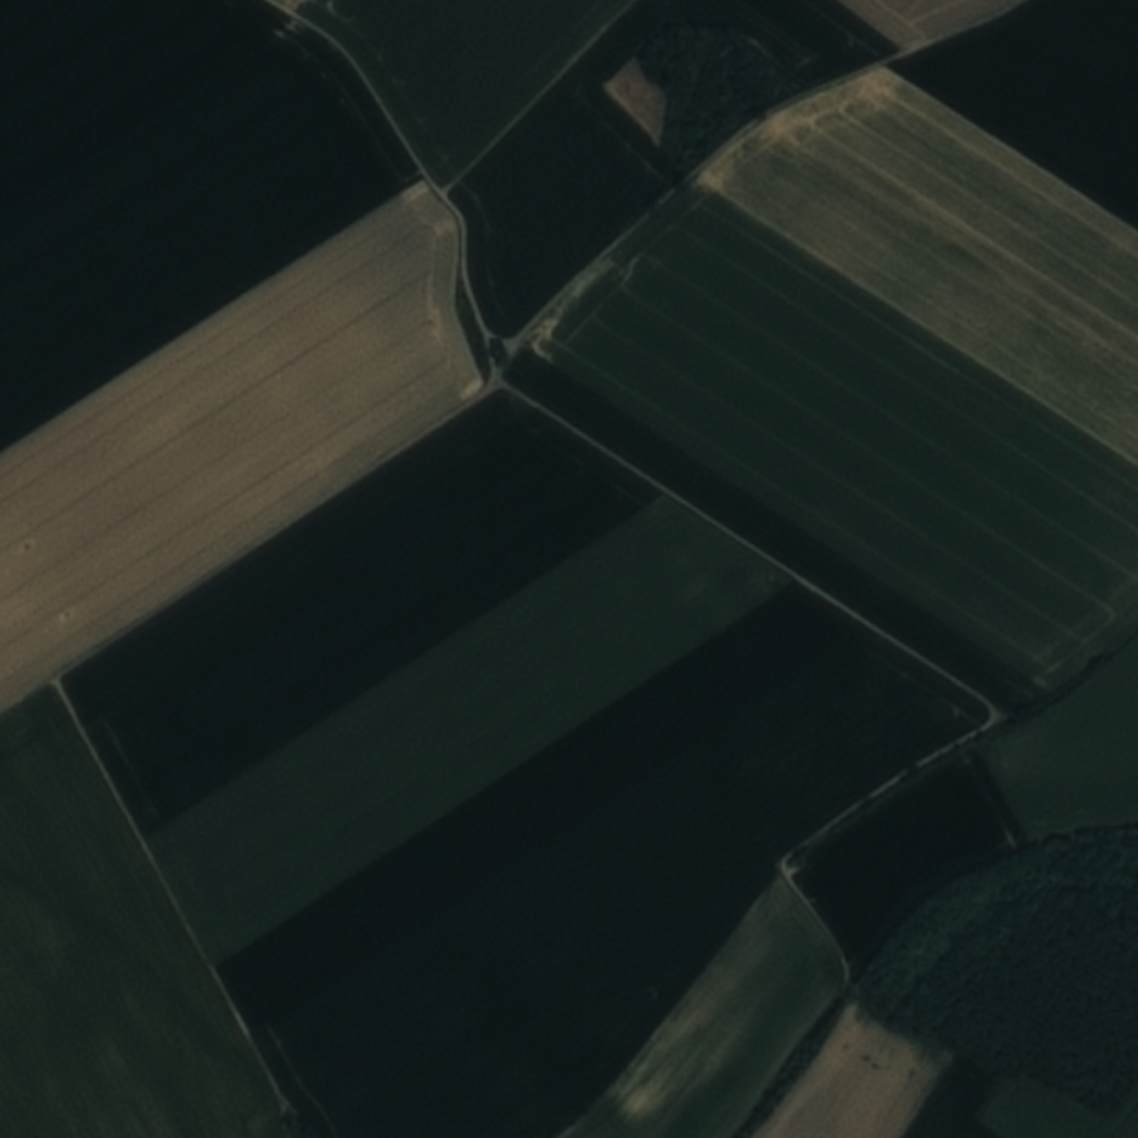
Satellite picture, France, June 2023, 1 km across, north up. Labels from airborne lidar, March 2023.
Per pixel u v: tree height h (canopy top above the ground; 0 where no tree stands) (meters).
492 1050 0
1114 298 0
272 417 0
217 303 0
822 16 0
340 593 0
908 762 0
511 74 0
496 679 0
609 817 0
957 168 0
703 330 0
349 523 0
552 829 0
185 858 0
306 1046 0
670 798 0
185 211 0
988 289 0
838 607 0
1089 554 0
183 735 0
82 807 0
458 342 0
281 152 0
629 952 0
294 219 0
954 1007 17
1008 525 0
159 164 0
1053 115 0
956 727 0
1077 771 0
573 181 0
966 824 0
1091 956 24
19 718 0
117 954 0
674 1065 0
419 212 0
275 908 0
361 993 0
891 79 0
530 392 0
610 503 0
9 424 0
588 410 0
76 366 0
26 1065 0
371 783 0
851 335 0
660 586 0
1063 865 18
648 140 0
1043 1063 19
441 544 0
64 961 0
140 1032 0
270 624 0
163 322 0
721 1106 0
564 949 0
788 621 0
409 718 0
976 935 19
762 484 0
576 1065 0
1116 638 0
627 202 0
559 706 0
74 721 0
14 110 0
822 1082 0
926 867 0
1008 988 21
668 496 0
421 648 0
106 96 0
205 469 0
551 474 0
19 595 0
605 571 0
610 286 0
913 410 0
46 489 0
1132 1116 0
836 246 0
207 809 0
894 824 0
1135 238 0
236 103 0
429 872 0
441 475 0
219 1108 0
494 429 0
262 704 0
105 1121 0
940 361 0
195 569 0
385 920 0
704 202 0
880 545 0
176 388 0
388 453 0
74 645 0
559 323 0
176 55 0
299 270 0
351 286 0
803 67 0
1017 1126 0
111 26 0
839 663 0
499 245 0
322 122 0
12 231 0
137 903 0
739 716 0
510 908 0
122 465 0
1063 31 0
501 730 0
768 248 0
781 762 0
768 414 0
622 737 0
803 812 0
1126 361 0
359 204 0
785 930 0
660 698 0
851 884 0
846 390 0
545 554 0
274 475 0
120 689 0
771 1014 0
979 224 0
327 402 0
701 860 0
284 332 0
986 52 0
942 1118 0
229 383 0
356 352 0
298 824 0
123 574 0
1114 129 0
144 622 0
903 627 0
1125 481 0
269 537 0
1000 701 0
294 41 0
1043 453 0
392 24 0
